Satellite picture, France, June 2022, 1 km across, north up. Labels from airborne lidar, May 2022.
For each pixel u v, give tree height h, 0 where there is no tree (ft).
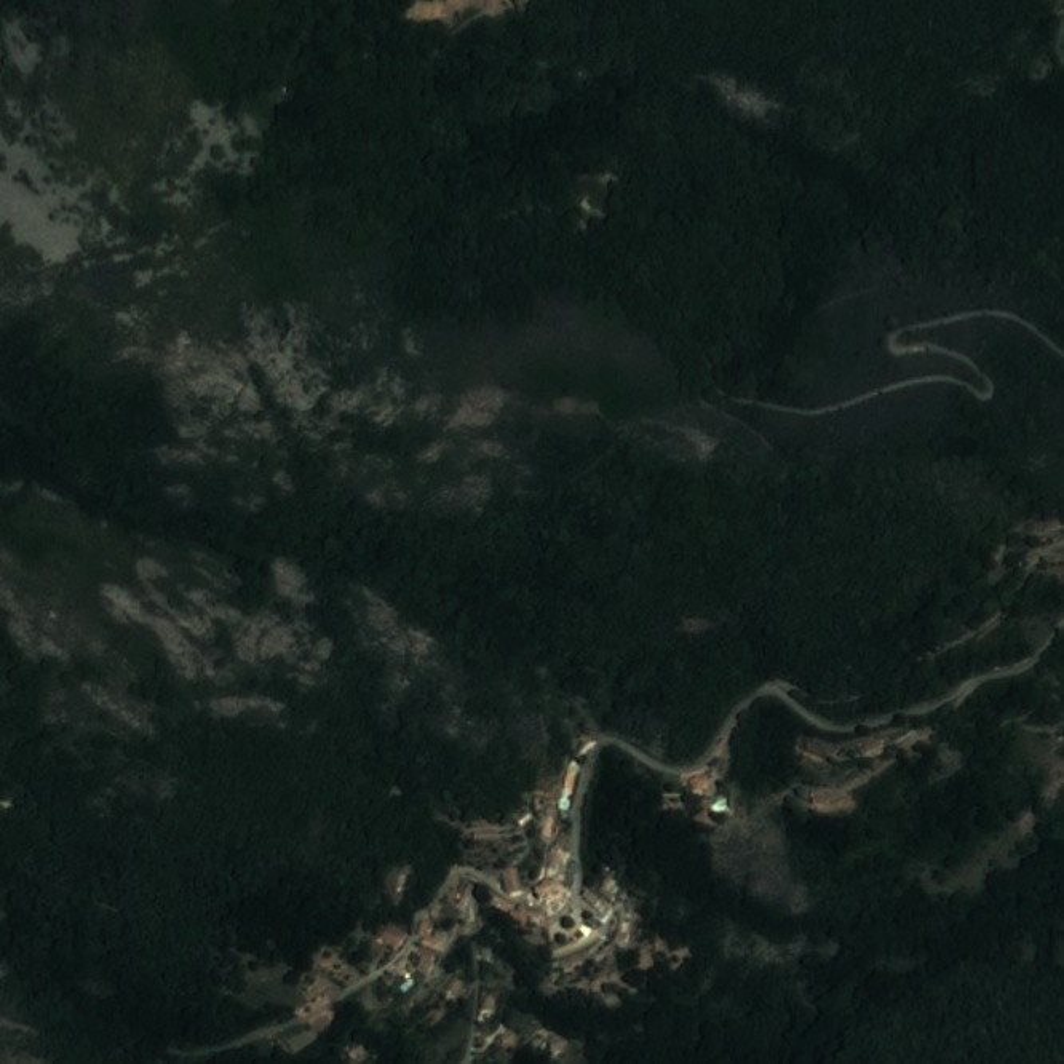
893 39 40
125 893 53
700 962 40
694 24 46
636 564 49
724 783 42
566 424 0
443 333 0
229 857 76
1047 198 37
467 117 31
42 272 0
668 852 54
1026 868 64
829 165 62
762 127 34
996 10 53
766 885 0
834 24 18
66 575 0
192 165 0
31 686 42
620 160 43
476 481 0
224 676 0
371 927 25
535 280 29
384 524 55
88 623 0
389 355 0
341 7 40
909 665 31
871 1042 46
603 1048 24
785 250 45
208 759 56
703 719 43
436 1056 0
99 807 23
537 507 23
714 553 80
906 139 31
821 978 31
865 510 41
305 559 40
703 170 49
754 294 59
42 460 25
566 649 46
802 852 40
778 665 65
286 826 39
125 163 0
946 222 54
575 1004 35
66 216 0
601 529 37
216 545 46
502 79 28
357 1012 40
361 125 47
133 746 20
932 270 24
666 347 43
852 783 0
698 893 49
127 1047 86
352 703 51
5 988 26
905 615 43
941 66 43
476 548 66
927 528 52
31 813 45
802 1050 39
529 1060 36
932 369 0
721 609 29
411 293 45
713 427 0
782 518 50
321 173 27
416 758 50
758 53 47
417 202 48
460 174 67
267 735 49
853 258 0
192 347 0
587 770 0
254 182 31
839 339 0
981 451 31
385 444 37
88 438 46
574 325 0
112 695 0
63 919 34
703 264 49
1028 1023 41
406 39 44
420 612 52
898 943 58
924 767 37
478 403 0
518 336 0
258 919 59
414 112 55
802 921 31
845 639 53
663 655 49
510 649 61
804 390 21
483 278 24
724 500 40
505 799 37
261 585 53
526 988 19
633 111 51
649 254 60
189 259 0
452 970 44
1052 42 32
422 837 49
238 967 47
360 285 0
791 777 25
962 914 73
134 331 0
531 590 53
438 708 27
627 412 0
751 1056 52
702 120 54
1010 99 28
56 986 73
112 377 0
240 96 41
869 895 50
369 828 39
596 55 33
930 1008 54
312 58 34
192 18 0
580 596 25
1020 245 27
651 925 22
